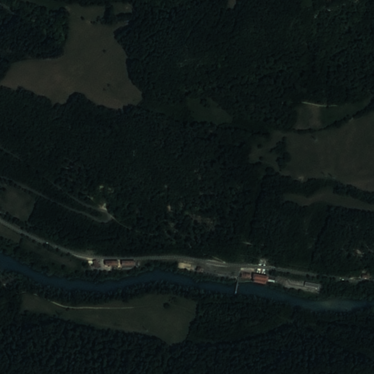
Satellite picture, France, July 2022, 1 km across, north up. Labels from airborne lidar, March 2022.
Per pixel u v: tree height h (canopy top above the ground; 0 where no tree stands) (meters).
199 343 0
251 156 0
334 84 10
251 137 28
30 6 23
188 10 32
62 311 0
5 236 0
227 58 25
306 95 10
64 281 0
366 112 15
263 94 24
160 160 14
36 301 0
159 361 25
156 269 0
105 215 0
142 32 33
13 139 27
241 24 16
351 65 27
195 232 35
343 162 0
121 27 0
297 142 0
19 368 29
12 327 32
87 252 0
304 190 6
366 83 30
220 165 21
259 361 26
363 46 21
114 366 31
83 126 21
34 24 31
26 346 27
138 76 22
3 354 35
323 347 29
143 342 34
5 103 20
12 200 0
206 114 0
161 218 25
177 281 0
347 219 21
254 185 21
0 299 31
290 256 10
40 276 0
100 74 0
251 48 14
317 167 0
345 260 21
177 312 0
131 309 0
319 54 29
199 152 34
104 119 23
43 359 30
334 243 21
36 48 30
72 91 0
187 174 17
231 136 30
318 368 35
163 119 23
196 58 9
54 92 0
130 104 0
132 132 11
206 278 8
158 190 21
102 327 0
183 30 15
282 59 32
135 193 15
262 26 16
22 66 0
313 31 29
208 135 15
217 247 20
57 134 23
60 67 0
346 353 25
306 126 0
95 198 14
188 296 25
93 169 23
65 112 20
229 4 0
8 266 0
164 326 0
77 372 23
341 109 0
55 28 28
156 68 20
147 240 19
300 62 32
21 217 0
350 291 19
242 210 21
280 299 0
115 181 23
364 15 21
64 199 20
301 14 16
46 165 27
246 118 27
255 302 18
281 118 25
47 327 35
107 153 17
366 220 12
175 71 15
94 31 0
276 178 22
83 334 35
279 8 19
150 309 0
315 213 6
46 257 0
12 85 0
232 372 32
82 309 0
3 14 30
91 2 7
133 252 15
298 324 21
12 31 28
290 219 14
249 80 25
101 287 0
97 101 0
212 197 32
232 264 0
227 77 26
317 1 11
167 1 26
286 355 25
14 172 15
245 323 22
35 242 14
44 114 14
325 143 0
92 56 0
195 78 26
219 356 35
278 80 30
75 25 0
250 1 22
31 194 12
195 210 31
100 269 0
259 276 0
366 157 0
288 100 25
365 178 0
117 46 0
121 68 0
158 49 24
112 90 0
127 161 15
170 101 22
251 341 18
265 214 18
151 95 22
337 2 13
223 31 12
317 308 0
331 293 18
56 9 0
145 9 29
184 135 26
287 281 0
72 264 0
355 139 0
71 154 21
